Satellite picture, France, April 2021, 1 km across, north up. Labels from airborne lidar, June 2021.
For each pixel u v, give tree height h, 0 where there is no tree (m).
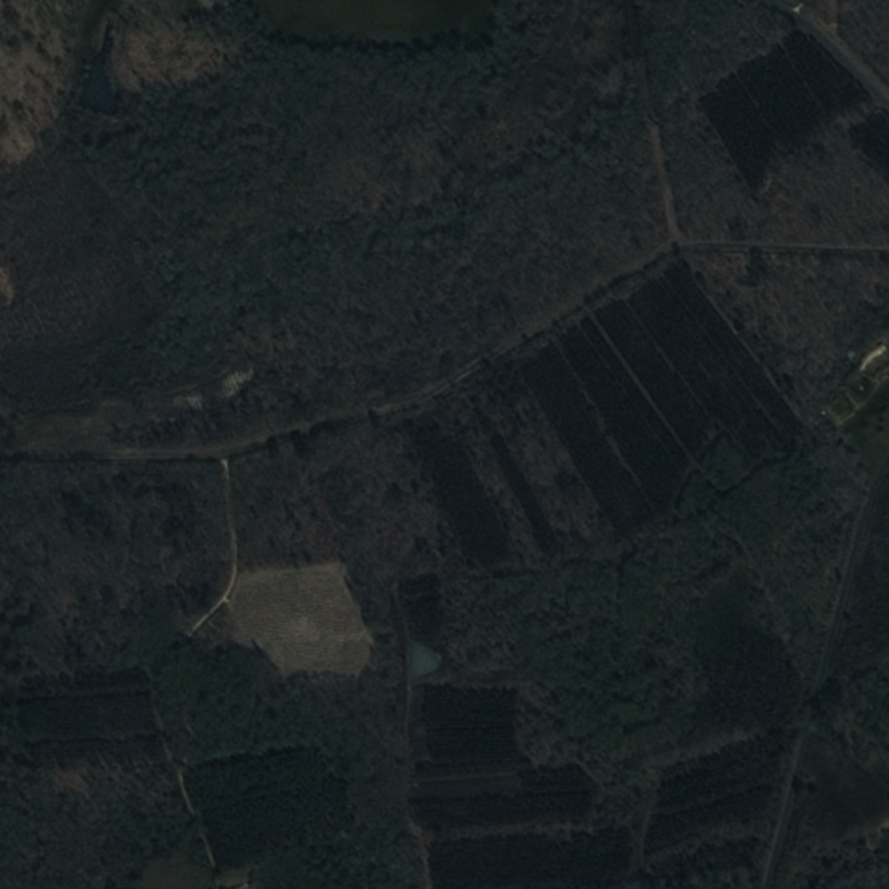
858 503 14
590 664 21
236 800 14
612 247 10
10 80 14
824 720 26
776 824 10
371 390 7
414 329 10
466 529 11
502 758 10
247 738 14
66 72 17
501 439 12
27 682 7
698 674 11
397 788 12
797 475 19
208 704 22
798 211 14
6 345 7
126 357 9
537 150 12
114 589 11
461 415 13
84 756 10
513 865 12
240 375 0
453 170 6
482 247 14
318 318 19
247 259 22
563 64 7
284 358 8
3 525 16
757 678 12
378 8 0
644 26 19
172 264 10
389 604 9
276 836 16
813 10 16
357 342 15
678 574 19
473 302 10
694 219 12
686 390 12
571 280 12
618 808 12
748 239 9
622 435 12
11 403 15
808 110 12
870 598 0
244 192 16
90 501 19
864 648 6
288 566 7
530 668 21
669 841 9
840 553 12
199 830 15
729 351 11
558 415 10
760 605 15
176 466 9
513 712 12
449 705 12
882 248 12
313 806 13
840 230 16
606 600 15
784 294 9
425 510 11
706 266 10
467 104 16
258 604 0
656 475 12
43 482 14
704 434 12
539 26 16
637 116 16
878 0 19
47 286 7
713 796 10
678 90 17
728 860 8
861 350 13
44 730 10
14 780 21
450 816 8
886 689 19
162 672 14
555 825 8
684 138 13
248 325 16
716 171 14
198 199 20
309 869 13
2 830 19
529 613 11
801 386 9
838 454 18
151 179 15
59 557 15
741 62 11
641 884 9
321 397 16
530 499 10
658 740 12
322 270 24
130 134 14
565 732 18
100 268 9
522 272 11
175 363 21
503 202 21
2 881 15
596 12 8
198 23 22
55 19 16
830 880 7
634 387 12
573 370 10
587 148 21
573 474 9
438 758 11
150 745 10
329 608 0
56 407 9
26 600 20
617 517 11
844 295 14
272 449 12
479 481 13
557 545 11
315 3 0
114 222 13
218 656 8
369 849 15
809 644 12
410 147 17
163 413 0
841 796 0
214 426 9
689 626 11
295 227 12
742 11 18
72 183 8
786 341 10
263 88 25
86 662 19
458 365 9
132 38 0
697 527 16
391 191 16
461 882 11
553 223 12
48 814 20
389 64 23
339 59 22
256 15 7
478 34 0
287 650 0
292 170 17
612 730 21
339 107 16
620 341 13
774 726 7
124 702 9
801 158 24
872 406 0
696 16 20
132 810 20
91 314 8
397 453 8
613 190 15
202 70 0
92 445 0
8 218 11
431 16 0
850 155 14
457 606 10
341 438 22
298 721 15
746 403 10
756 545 15
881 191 14
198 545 15
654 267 9
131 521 10
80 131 14
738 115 12
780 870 6
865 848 13
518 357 6
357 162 19
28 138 16
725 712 15
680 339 11
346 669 0
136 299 9
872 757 14
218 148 19
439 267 18
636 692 23
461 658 12
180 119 14
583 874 9
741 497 13
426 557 18
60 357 9
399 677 7
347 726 14
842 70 11
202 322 18
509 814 10
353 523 15
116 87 8
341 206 10
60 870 19
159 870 0
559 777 10
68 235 9
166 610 13
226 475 15
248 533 12
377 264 21
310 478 8
